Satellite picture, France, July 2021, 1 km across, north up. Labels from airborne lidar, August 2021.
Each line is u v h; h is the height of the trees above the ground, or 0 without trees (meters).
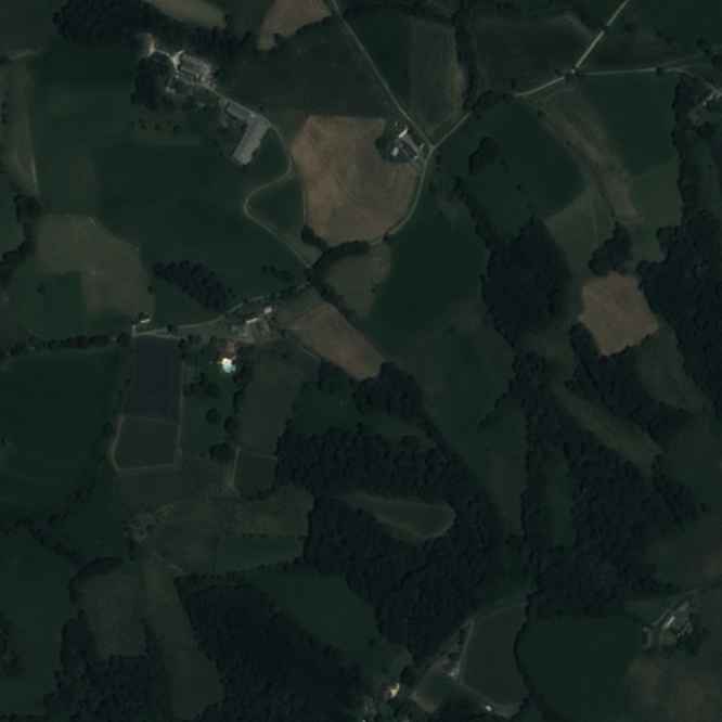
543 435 21
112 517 0
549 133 0
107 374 0
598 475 19
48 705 17
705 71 0
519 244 18
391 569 30
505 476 0
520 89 12
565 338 0
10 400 0
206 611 20
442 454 20
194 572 0
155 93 19
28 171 0
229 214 0
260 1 0
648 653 9
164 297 0
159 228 0
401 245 0
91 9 16
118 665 18
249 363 12
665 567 0
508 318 19
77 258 0
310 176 0
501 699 0
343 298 8
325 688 17
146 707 6
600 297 0
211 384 6
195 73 0
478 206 21
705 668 0
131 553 10
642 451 0
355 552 27
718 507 0
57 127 0
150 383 0
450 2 0
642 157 0
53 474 0
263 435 0
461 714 30
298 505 0
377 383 19
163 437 0
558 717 14
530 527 24
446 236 0
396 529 0
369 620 0
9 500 0
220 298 32
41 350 14
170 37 19
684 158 15
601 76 0
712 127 17
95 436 0
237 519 0
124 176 0
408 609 28
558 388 0
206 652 14
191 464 0
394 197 0
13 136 0
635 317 0
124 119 0
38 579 0
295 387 0
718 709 0
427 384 0
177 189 0
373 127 0
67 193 0
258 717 25
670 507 8
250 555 0
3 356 17
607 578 23
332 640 0
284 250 0
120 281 0
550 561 28
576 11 8
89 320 0
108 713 24
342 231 0
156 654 22
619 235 21
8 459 0
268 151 0
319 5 0
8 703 0
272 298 9
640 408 24
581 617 15
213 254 0
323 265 20
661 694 0
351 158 0
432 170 0
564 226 0
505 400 18
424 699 0
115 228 0
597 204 0
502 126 0
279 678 24
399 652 0
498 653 0
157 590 0
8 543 0
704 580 0
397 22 0
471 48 18
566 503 0
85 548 0
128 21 18
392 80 0
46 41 0
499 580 20
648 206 0
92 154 0
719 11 0
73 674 29
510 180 0
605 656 0
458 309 0
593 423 0
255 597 19
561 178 0
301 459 17
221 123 0
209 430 0
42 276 0
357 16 13
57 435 0
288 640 21
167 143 0
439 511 0
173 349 0
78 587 13
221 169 0
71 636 24
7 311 0
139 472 0
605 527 25
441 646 9
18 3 0
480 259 0
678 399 0
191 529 0
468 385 0
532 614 20
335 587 0
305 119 0
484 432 6
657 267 21
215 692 0
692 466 0
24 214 21
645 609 0
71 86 0
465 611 17
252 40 23
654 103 0
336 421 0
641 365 0
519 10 10
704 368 24
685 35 0
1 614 25
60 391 0
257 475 0
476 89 11
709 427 0
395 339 0
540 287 14
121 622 0
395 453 23
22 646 0
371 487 24
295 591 0
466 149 0
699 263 30
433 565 26
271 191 0
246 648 24
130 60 0
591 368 31
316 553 24
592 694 0
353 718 10
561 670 0
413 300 0
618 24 0
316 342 0
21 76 0
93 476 7
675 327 15
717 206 0
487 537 20
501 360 0
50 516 0
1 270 17
